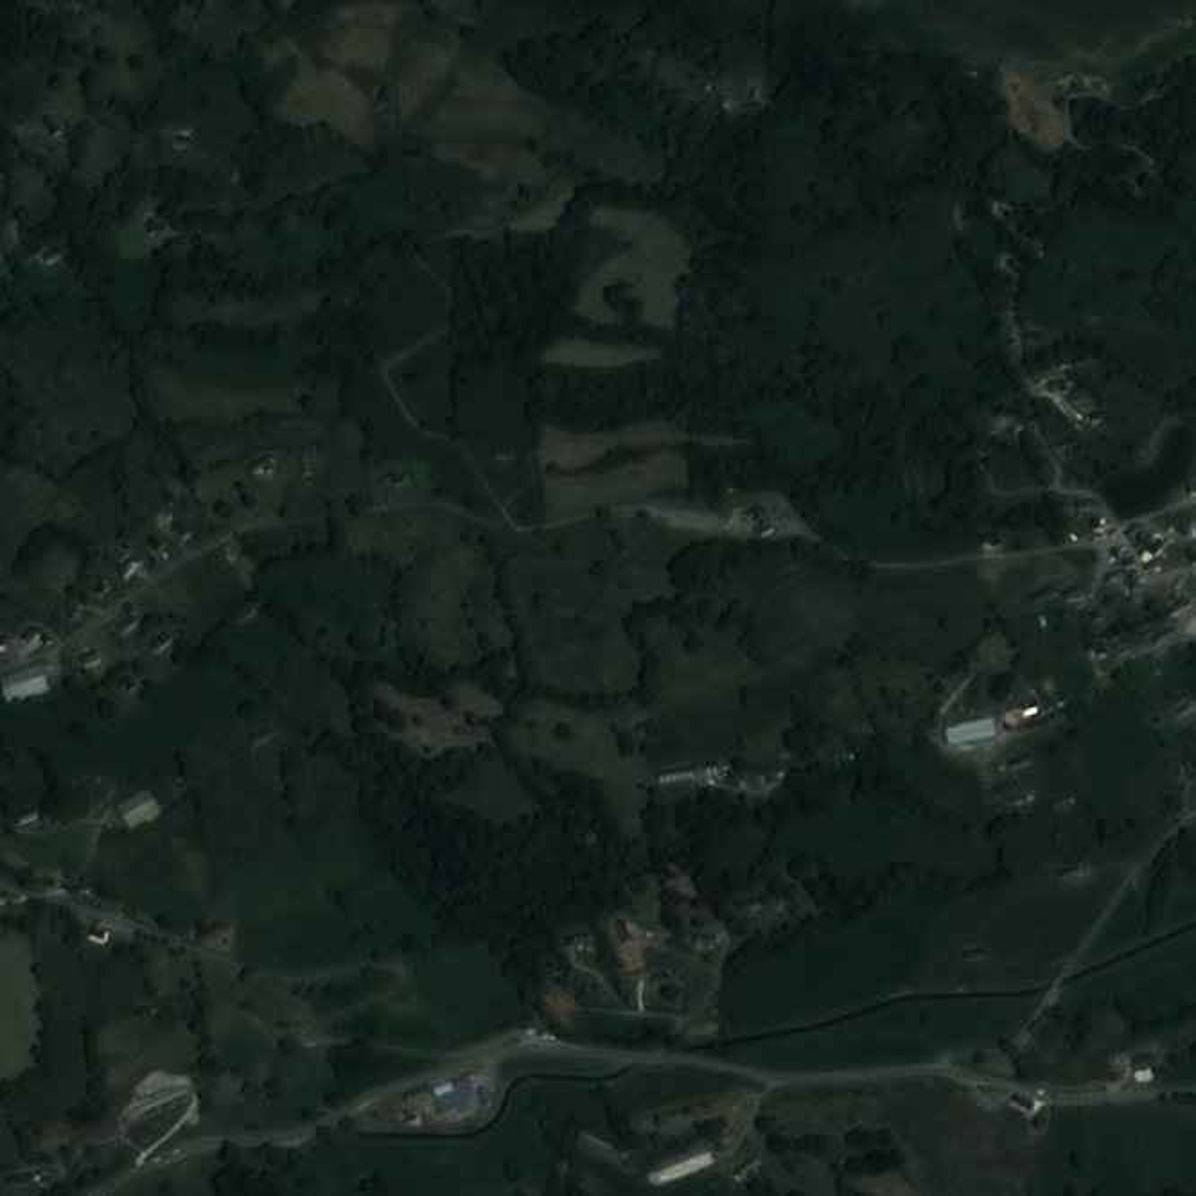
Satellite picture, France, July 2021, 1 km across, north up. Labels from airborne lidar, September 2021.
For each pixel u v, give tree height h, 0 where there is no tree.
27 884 14
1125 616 9
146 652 0
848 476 10
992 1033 0
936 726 8
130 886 0
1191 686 6
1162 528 0
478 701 0
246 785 0
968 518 16
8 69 7
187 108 0
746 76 0
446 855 22
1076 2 0
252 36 16
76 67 11
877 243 0
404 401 0
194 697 0
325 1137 14
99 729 0
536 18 0
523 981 18
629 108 0
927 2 0
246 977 17
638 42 14
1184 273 19
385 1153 0
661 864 25
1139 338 0
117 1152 0
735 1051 8
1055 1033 0
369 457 13
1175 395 14
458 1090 0
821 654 0
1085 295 0
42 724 0
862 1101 0
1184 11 0
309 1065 0
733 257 24
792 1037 0
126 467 12
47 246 9
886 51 7
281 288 15
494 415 0
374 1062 9
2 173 12
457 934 10
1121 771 0
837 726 7
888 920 0
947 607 0
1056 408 8
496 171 0
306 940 0
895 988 0
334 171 0
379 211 0
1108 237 0
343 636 0
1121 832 14
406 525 0
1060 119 0
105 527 0
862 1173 11
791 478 14
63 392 0
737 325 17
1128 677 17
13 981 0
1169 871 20
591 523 0
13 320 21
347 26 0
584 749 0
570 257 9
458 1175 0
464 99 0
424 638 0
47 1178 5
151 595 0
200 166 0
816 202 7
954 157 20
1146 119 10
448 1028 0
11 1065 0
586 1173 0
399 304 0
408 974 0
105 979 0
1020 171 0
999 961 0
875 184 15
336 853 0
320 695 0
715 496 9
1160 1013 0
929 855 0
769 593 0
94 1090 16
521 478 0
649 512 11
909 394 9
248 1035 0
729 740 0
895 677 0
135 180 21
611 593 0
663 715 0
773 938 7
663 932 0
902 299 0
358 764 24
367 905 0
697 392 15
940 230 0
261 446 0
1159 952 0
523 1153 0
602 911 19
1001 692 17
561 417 7
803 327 0
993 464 14
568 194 0
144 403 14
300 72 0
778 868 21
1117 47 0
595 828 16
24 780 0
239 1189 23
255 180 20
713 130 7
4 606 14
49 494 0
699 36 10
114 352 0
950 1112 0
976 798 0
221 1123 0
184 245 17
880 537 0
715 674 0
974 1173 0
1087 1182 0
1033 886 0
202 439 0
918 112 18
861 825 0
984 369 13
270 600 15
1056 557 0
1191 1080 0
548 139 0
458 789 14
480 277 18
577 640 0
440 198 8
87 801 0
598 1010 0
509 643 0
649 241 0
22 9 18
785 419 0
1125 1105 0
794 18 11
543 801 18
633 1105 0
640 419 10
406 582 16
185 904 0
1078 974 0
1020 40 0
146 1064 0
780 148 0
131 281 0
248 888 0
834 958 0
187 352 0
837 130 17
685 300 17
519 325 18
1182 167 17
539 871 8
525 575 0
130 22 0
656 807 17
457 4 0
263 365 0
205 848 0
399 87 0
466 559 0
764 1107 0
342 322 11
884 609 0
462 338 10
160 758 0
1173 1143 0
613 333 14
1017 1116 0
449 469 0
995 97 14
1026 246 11
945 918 0
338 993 12
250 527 0
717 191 9
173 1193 12
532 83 20
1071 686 0
